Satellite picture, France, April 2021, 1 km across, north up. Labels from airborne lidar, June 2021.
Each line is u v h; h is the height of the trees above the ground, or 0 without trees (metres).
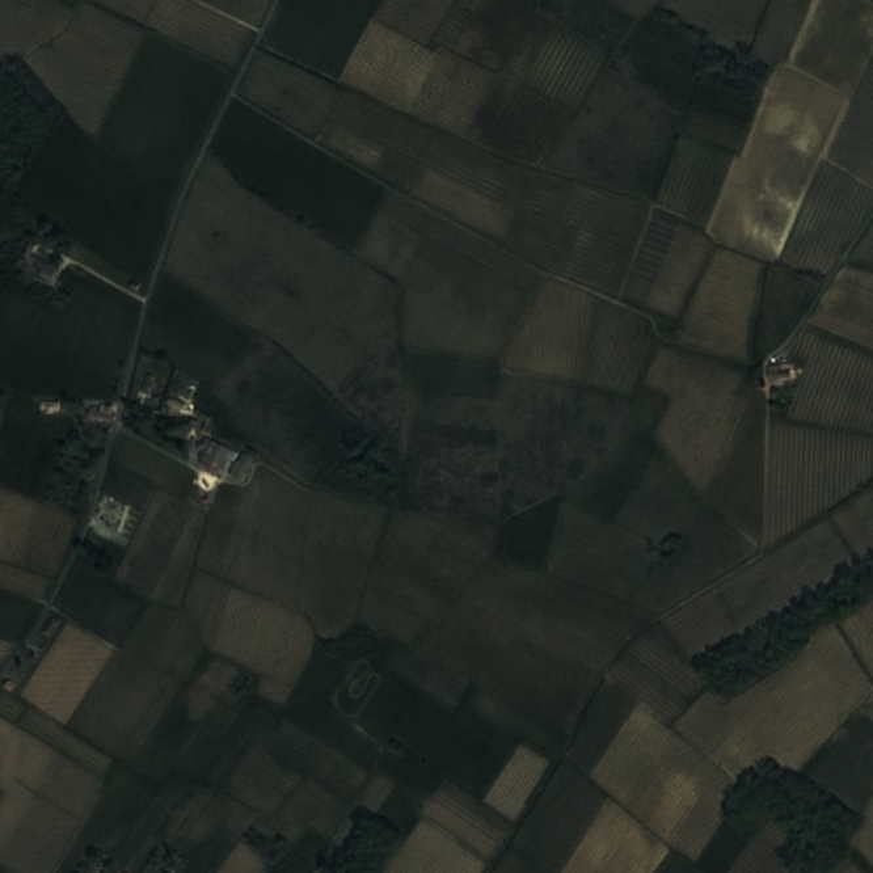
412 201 0
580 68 0
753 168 0
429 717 0
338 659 8
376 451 18
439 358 0
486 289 0
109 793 0
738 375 0
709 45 13
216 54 0
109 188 0
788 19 0
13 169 14
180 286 0
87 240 0
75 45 0
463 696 0
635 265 0
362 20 0
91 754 0
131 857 0
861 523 0
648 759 0
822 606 20
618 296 0
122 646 0
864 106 0
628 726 0
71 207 0
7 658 0
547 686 0
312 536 0
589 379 0
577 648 0
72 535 0
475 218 0
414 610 0
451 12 0
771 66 12
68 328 0
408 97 0
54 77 0
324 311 0
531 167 0
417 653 0
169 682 0
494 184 0
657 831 0
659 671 0
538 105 0
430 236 0
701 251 0
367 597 0
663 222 0
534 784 0
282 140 0
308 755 0
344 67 0
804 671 0
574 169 0
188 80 0
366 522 0
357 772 0
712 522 0
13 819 0
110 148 0
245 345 0
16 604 0
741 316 0
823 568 0
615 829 0
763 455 0
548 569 0
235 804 0
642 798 0
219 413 0
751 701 0
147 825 0
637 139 0
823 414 0
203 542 0
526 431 0
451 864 0
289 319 0
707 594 0
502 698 0
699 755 0
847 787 0
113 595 0
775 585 0
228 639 0
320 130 0
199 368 0
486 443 0
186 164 0
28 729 0
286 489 0
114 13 0
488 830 0
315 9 0
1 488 0
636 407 0
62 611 0
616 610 0
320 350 0
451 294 0
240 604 0
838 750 0
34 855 0
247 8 0
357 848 16
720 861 0
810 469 0
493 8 0
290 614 0
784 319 0
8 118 24
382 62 0
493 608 0
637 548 0
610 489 0
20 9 0
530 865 0
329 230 0
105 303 0
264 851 12
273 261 0
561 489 0
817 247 0
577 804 0
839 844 18
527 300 0
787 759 0
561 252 0
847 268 0
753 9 0
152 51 0
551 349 0
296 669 0
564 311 0
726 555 0
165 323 0
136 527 0
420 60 0
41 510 0
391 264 0
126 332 0
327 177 0
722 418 0
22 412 0
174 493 0
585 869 0
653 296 0
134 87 0
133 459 0
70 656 0
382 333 0
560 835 0
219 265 0
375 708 0
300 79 0
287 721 0
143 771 0
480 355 0
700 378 0
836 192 0
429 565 0
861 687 0
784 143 0
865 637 0
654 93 0
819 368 0
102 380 0
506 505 0
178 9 0
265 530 0
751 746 0
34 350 0
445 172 0
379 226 0
